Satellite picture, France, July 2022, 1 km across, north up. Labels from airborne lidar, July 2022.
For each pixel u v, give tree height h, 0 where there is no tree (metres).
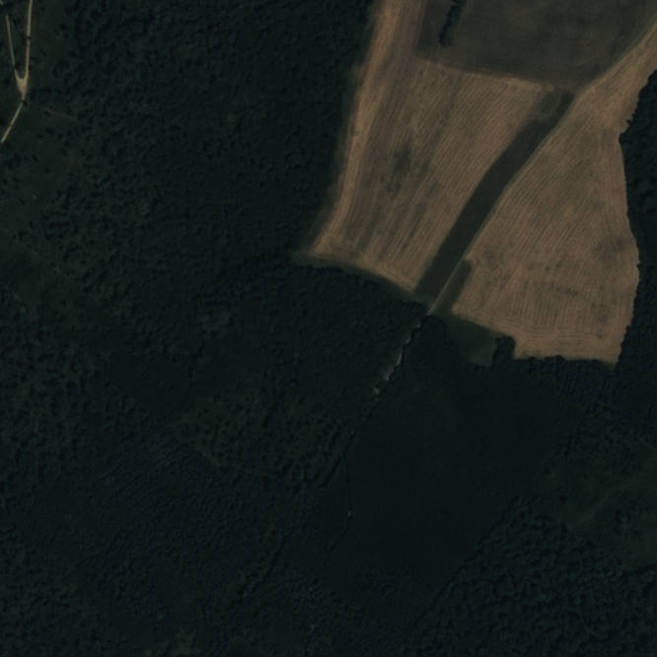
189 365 6
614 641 24
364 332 23
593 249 0
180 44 18
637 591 21
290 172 24
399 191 0
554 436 14
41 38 0
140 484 18
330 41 22
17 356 10
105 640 22
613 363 0
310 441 0
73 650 20
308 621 15
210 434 17
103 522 11
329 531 16
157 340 23
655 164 11
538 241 0
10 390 21
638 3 0
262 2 22
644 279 9
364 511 11
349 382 24
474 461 13
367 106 0
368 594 17
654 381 20
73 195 22
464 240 0
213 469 20
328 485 13
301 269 19
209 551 14
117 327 8
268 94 21
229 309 21
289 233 18
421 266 0
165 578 11
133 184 24
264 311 26
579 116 0
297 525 25
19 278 8
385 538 14
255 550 19
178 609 9
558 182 0
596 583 20
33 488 9
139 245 21
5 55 23
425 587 13
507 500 13
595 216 0
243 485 25
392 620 15
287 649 17
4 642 22
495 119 0
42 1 23
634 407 16
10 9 20
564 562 19
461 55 0
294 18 23
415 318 19
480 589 24
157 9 24
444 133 0
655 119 29
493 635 22
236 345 22
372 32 0
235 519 23
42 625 16
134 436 22
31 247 12
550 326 0
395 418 11
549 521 25
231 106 20
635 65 0
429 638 24
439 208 0
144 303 25
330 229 0
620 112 0
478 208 0
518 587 23
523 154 0
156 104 18
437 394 10
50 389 21
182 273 21
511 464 12
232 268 10
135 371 7
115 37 11
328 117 16
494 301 0
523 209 0
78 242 25
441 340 18
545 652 25
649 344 24
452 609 23
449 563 12
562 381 24
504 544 20
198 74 22
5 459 22
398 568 13
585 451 7
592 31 0
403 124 0
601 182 0
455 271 0
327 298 24
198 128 23
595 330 0
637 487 0
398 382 12
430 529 13
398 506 13
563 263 0
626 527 19
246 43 23
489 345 0
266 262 17
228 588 17
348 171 0
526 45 0
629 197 7
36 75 9
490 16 0
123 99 17
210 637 16
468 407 15
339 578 14
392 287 0
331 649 20
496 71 0
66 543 14
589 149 0
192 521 22
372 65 0
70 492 19
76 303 8
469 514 14
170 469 20
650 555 0
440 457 11
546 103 0
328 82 23
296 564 16
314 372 23
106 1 22
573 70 0
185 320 24
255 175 21
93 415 27
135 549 17
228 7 23
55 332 9
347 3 14
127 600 23
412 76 0
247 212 19
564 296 0
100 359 7
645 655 26
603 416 14
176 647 11
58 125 0
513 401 11
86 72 23
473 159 0
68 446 21
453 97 0
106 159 24
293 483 8
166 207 25
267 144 23
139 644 14
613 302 0
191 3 23
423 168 0
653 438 21
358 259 0
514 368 11
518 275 0
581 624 22
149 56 17
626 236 0
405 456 14
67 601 20
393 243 0
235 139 14
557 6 0
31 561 19
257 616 18
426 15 0
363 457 13
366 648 14
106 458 15
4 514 23
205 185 26
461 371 13
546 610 33
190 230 25
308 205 23
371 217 0
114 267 19
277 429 27
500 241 0
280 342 18
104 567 22
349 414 22
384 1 0
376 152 0
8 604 23
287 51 22
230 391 10
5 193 22
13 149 27
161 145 20
